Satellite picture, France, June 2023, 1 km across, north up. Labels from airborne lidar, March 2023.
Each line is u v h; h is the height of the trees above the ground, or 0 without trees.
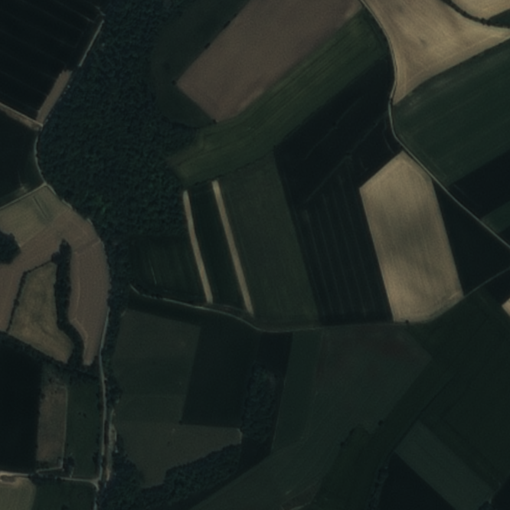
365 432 0
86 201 17
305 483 0
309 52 0
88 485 0
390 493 0
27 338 0
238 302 0
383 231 0
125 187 19
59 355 0
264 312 0
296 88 0
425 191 0
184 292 0
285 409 0
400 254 0
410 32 0
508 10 0
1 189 0
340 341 0
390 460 0
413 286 0
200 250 0
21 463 0
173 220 18
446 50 0
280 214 0
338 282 0
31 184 0
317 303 0
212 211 0
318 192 0
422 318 0
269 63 0
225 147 0
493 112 0
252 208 0
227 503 0
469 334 0
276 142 0
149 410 0
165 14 8
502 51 0
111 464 0
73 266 0
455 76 0
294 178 0
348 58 0
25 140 0
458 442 0
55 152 19
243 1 0
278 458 0
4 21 0
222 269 0
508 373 0
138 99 23
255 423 19
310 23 0
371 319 0
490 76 0
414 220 0
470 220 0
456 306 0
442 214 0
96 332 0
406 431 0
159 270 0
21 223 0
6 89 0
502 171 0
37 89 0
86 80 21
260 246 0
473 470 0
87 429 0
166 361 0
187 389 0
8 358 0
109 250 21
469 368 0
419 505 0
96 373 6
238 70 0
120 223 22
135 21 18
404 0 0
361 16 0
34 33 0
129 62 22
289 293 0
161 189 18
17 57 0
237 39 0
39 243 0
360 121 0
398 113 0
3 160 0
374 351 0
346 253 0
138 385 0
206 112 0
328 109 0
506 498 0
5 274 0
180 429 0
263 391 16
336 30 0
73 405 0
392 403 0
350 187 0
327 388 0
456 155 0
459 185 0
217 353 0
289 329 0
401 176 0
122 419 0
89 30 0
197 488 17
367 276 0
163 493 10
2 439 0
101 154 11
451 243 0
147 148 14
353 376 0
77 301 0
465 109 0
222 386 0
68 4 0
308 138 0
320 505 0
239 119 0
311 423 0
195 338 0
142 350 0
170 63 0
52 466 0
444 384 0
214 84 0
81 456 0
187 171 0
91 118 18
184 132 18
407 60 0
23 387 0
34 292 0
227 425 0
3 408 0
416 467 0
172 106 0
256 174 0
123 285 18
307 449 0
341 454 0
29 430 0
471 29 0
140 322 0
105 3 0
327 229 0
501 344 0
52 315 0
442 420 0
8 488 0
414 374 0
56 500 0
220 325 0
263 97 0
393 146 0
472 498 0
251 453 0
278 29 0
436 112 0
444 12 0
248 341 0
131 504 11
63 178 16
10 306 0
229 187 0
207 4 0
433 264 0
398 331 0
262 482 0
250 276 0
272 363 0
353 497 0
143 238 0
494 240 0
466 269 0
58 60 0
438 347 0
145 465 0
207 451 0
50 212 0
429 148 0
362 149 0
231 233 0
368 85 0
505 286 0
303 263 0
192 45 0
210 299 0
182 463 0
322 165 0
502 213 0
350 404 0
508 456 0
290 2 0
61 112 19
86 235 0
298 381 0
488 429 0
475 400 0
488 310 0
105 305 0
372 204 0
